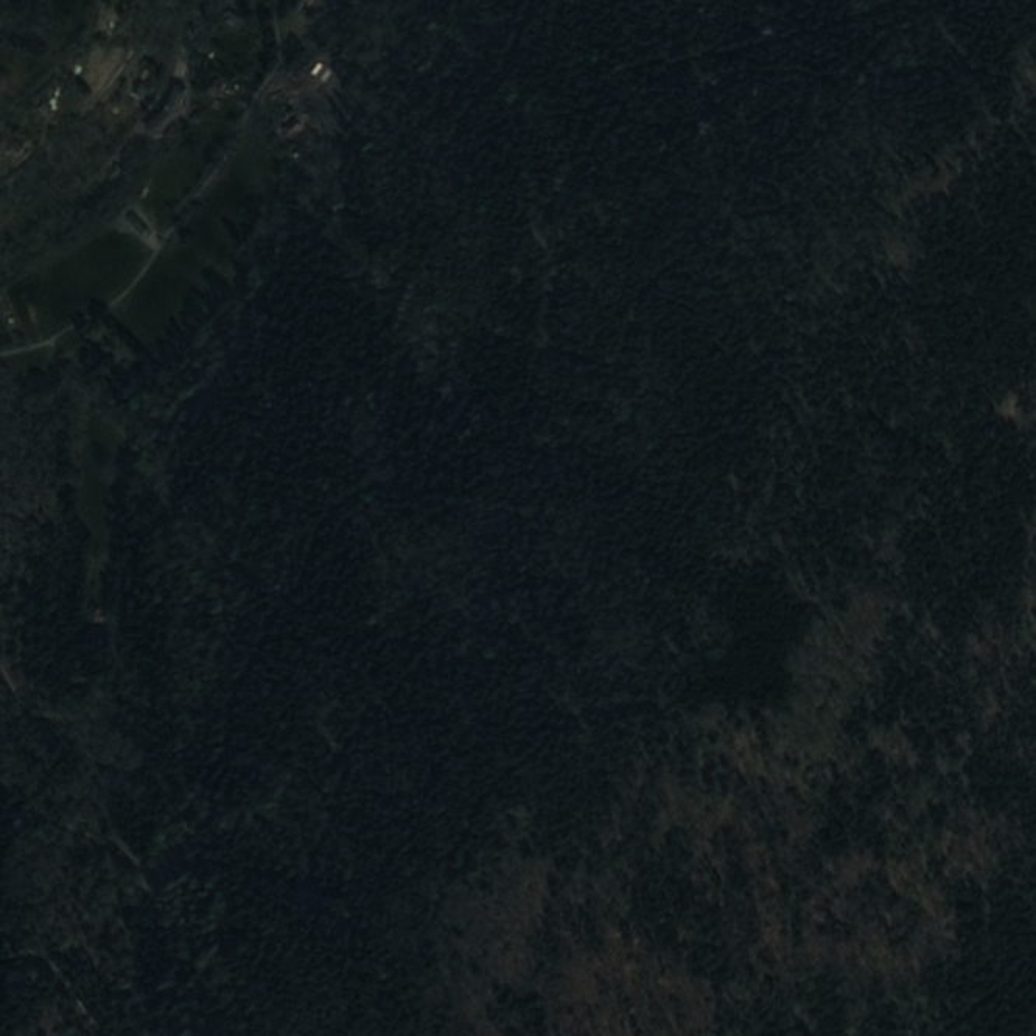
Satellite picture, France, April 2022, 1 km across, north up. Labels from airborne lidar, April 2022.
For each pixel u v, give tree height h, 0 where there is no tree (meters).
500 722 24
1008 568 30
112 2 14
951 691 25
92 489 0
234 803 25
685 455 17
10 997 26
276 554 18
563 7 19
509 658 17
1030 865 25
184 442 25
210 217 0
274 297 29
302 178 25
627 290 19
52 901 23
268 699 21
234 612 23
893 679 29
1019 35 24
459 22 14
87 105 0
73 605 31
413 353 15
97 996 37
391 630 24
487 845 9
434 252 14
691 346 23
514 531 22
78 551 27
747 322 20
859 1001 21
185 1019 22
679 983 30
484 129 17
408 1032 18
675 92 24
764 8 28
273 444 18
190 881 17
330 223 29
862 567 28
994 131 24
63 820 19
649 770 18
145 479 21
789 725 23
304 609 24
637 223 20
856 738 23
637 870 26
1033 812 28
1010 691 24
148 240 0
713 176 24
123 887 22
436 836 17
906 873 25
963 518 28
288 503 15
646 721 21
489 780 20
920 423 30
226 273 0
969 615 30
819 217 19
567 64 19
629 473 18
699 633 20
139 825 25
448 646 17
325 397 25
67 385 23
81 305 0
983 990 27
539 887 14
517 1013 15
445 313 23
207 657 22
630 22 20
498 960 8
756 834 24
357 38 27
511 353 19
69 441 28
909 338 0
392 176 20
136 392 24
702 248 18
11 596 31
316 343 24
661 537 20
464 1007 15
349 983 18
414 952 21
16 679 13
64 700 27
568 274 17
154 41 21
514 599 19
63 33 0
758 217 20
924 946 26
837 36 26
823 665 27
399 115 23
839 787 27
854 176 19
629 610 27
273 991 21
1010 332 30
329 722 24
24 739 32
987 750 25
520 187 19
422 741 22
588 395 14
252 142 0
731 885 27
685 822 22
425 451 23
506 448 22
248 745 17
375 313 27
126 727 34
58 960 31
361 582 22
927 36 27
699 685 19
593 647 23
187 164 0
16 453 24
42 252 25
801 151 24
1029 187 32
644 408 16
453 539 27
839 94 25
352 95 0
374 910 17
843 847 26
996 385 28
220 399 25
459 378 25
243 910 31
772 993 25
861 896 21
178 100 0
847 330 32
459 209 11
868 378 28
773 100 23
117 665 19
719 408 16
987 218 30
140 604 27
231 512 27
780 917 28
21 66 0
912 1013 25
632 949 28
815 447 30
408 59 21
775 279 18
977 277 34
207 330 30
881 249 27
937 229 29
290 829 24
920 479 32
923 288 33
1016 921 30
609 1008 26
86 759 26
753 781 30
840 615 24
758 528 22
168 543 24
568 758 18
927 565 26
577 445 23
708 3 27
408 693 21
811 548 32
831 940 27
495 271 16
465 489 26
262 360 24
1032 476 28
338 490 17
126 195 23
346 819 12
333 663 16
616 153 25
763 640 24
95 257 0
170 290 0
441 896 12
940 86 26
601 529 24
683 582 23
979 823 23
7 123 10
